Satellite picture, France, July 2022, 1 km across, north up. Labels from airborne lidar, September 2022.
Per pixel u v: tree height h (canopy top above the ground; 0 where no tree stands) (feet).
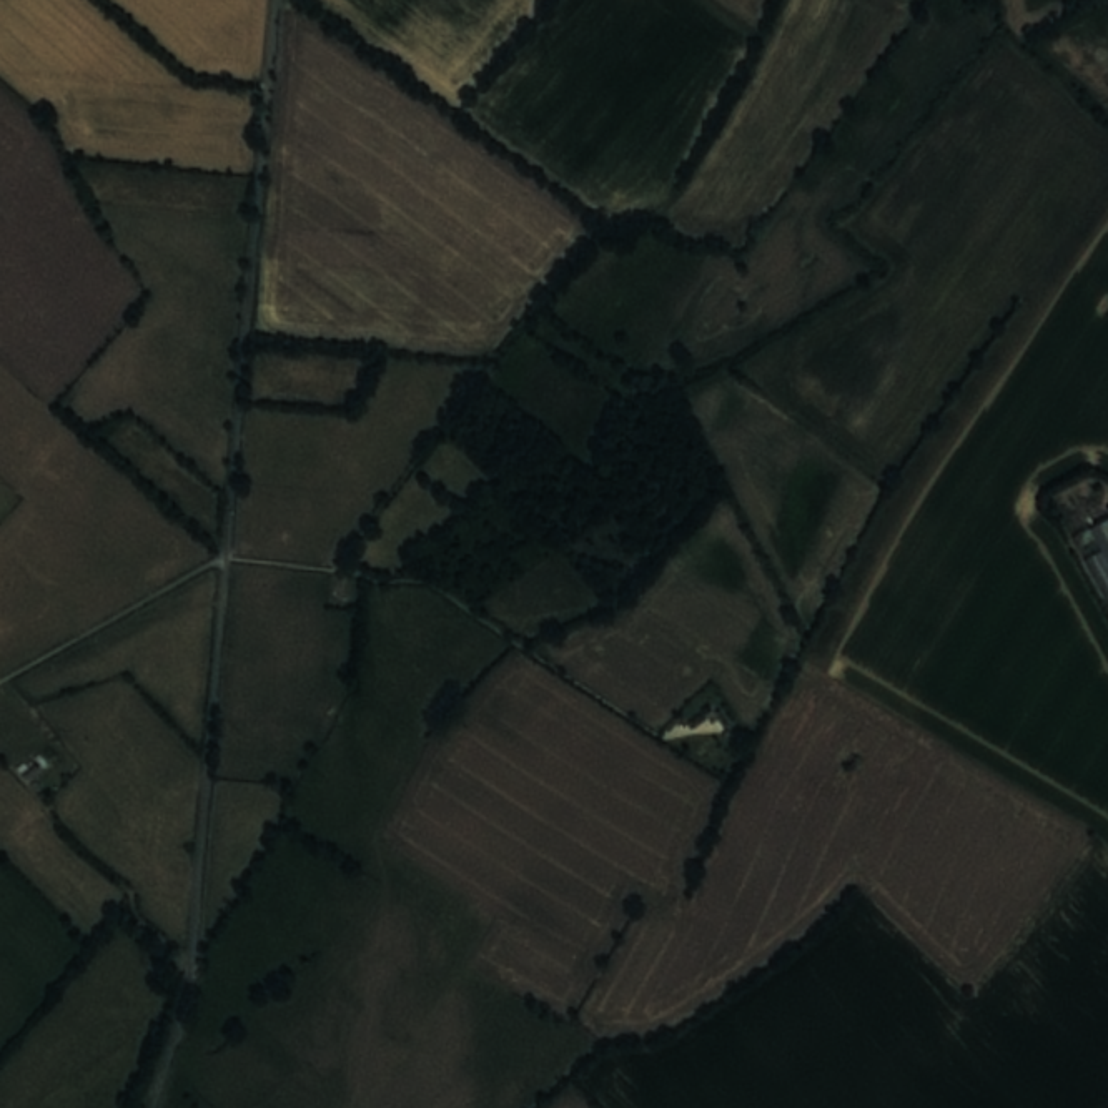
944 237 0
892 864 0
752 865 0
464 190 0
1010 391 0
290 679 0
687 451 83
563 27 0
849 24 0
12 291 0
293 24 0
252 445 0
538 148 0
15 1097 0
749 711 0
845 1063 0
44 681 0
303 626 0
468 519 39
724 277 0
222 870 0
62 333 0
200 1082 0
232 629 0
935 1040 0
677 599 0
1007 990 0
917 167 0
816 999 0
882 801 0
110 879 23
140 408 0
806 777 0
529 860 0
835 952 0
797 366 0
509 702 0
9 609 0
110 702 0
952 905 0
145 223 0
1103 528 0
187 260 0
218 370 0
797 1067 0
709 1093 0
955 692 0
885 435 0
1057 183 0
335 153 0
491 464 68
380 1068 0
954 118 0
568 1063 0
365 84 0
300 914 0
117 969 0
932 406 0
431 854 0
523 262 0
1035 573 0
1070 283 0
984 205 0
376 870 0
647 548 48
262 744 0
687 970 0
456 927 0
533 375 0
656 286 0
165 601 0
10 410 0
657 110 0
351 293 0
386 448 0
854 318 0
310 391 0
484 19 0
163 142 0
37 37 0
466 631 0
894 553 0
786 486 0
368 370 47
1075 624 0
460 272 0
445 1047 0
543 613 0
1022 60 0
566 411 0
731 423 0
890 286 0
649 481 47
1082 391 0
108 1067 0
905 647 0
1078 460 0
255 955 0
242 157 0
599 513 88
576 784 0
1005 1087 0
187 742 23
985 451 0
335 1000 0
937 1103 0
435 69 0
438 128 0
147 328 0
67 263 0
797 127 0
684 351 67
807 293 0
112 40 0
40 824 0
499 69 46
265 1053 0
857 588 0
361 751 0
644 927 0
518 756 0
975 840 0
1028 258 0
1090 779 0
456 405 51
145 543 0
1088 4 34
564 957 0
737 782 35
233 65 0
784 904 0
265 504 0
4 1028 0
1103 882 0
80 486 0
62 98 0
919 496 0
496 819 0
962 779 0
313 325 0
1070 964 0
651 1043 49
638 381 65
